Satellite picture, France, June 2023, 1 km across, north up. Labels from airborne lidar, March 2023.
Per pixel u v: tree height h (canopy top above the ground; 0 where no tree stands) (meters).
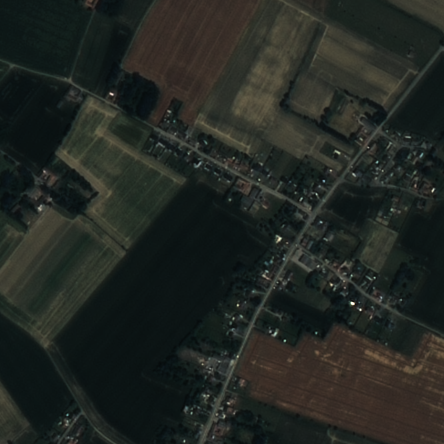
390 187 0
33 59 0
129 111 23
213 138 12
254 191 0
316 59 0
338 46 0
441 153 0
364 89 0
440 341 0
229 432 0
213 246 0
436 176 0
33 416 0
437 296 0
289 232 0
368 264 0
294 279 0
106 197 0
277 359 0
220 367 0
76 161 0
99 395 0
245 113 0
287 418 0
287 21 0
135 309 0
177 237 0
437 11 0
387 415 0
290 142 0
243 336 0
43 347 0
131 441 0
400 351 0
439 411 0
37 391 0
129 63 0
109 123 0
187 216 0
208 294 0
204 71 0
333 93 0
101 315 0
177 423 0
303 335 0
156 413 0
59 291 0
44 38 0
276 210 0
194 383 10
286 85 0
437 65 0
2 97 0
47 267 0
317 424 0
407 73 0
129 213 0
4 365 0
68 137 0
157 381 0
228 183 0
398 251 0
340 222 0
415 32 0
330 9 0
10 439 0
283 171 0
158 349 0
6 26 0
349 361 0
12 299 0
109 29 0
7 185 29
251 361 0
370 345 0
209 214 0
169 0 0
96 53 0
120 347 0
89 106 0
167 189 0
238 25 0
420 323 0
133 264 0
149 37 0
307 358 0
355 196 0
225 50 0
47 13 0
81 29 0
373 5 0
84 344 0
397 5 0
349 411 0
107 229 0
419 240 0
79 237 0
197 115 0
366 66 0
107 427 0
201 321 8
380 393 0
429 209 0
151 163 0
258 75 0
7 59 0
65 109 0
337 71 0
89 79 0
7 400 0
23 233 0
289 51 0
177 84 0
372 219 0
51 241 0
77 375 0
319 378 0
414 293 0
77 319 0
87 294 0
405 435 0
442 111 0
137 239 0
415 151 0
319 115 0
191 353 0
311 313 0
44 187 21
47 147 0
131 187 0
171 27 0
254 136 0
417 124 0
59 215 0
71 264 0
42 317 0
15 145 0
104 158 0
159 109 0
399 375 0
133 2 0
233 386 0
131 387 0
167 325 0
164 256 0
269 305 0
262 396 0
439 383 0
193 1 0
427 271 0
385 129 7
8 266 0
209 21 0
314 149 0
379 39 0
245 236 0
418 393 0
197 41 0
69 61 0
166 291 0
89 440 0
